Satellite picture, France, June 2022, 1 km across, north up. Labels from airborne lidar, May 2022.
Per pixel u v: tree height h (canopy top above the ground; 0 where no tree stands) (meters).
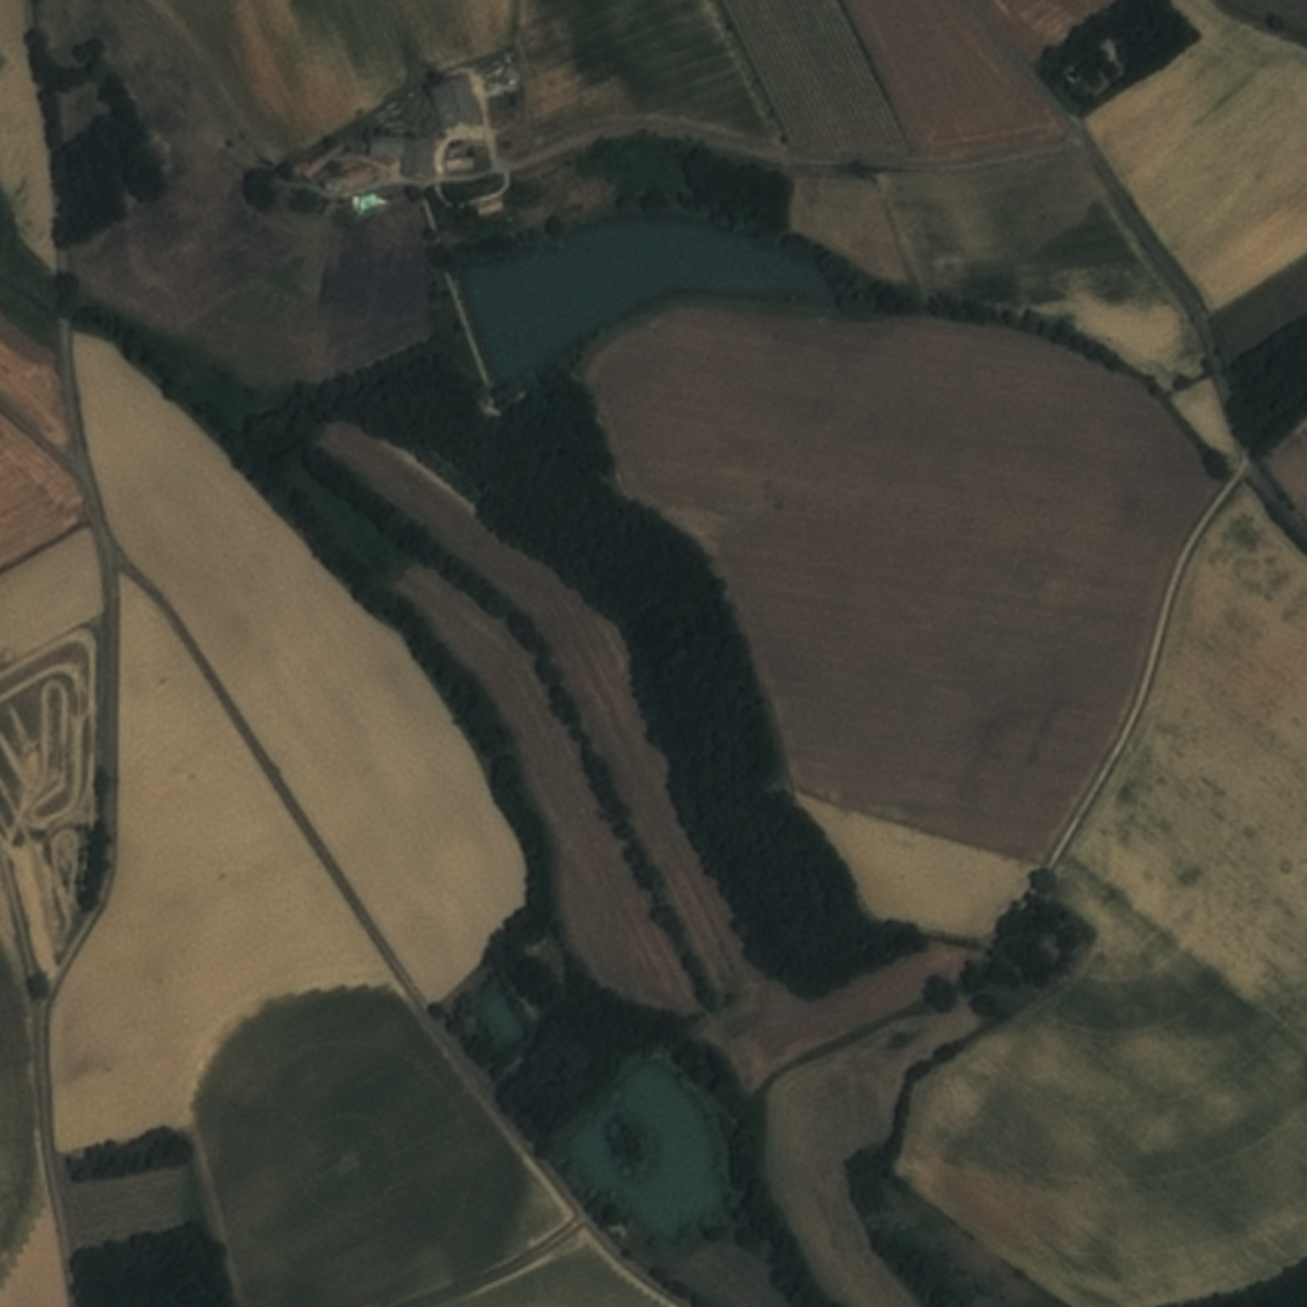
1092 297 0
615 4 0
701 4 0
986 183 0
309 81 0
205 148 0
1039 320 11
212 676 0
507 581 0
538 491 14
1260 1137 0
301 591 0
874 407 0
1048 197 0
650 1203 0
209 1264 18
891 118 0
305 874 0
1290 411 13
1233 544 0
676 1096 0
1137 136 0
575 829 0
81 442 0
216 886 0
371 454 0
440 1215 0
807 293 0
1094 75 9
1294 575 0
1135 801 0
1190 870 0
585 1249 0
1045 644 0
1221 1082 0
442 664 21
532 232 10
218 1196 0
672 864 0
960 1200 0
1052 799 0
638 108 0
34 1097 0
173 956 0
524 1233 0
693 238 0
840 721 0
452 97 0
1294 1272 11
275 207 6
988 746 0
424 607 0
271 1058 0
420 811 0
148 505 0
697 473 0
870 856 0
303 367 0
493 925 0
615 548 21
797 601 0
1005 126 0
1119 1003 0
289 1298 0
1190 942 0
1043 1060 0
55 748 0
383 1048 0
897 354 0
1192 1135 0
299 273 0
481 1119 0
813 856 20
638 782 0
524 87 0
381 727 0
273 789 0
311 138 0
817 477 0
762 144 0
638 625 9
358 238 0
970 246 0
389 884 0
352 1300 0
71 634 0
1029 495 0
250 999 0
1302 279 0
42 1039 0
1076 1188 0
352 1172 0
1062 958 10
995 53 0
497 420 8
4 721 0
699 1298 11
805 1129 0
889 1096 0
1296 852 0
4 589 0
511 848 0
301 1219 0
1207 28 0
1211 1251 0
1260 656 0
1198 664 0
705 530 0
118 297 0
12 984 0
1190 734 0
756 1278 0
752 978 0
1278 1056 0
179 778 0
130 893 0
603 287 0
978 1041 0
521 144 0
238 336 0
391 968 0
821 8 0
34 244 0
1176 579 0
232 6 0
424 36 0
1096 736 0
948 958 0
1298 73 0
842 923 19
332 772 0
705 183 19
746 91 0
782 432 0
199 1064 0
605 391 0
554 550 17
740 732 17
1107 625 0
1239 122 0
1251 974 0
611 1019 25
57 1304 0
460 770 0
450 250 13
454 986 0
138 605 0
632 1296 0
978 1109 0
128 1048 0
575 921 0
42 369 0
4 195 0
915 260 0
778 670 0
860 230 0
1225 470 24
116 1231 0
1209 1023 0
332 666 0
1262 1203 0
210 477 0
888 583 0
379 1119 0
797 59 0
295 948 0
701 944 0
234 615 0
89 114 0
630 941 0
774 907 20
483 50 0
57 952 0
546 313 0
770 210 17
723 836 21
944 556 0
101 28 0
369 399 18
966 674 0
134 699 0
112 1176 14
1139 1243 0
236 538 0
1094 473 0
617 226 0
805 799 0
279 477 19
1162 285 0
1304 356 16
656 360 0
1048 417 0
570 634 0
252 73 0
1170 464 0
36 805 0
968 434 0
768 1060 0
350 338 0
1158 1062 0
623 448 0
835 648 0
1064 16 0
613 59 0
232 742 0
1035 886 10
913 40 0
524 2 0
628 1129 17
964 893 0
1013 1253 0
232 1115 0
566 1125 21
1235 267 0
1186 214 0
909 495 0
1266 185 0
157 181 19
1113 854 0
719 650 14
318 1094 0
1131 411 0
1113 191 0
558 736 0
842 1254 0
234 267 0
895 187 0
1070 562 0
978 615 0
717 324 0
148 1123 0
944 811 0
